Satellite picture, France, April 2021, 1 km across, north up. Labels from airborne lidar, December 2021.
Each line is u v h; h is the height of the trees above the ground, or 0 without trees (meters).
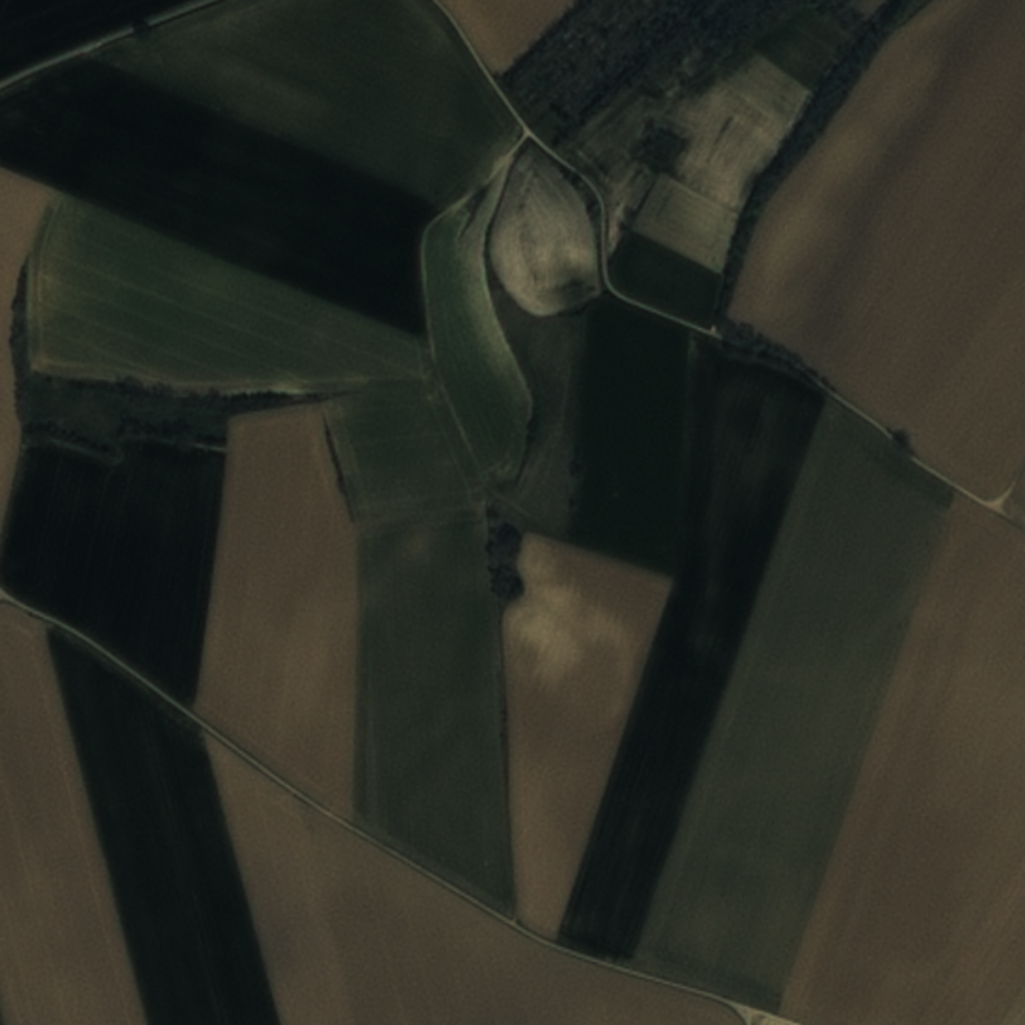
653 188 0
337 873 0
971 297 0
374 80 0
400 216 0
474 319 0
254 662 0
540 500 0
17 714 0
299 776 0
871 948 0
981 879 0
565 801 0
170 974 0
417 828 0
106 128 0
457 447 0
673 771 0
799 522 0
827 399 0
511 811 0
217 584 0
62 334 0
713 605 0
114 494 0
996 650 0
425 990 0
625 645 0
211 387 0
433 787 0
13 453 0
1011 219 0
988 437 0
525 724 0
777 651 0
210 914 0
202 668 0
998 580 0
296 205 0
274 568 0
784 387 0
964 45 0
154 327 0
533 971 0
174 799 0
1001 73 0
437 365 0
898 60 0
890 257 0
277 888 0
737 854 0
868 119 0
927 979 0
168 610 0
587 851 0
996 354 0
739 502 0
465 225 0
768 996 0
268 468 0
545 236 0
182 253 0
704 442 0
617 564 0
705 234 0
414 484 0
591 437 0
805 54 0
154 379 0
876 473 0
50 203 0
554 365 0
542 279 0
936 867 0
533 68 15
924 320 0
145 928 0
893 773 0
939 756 0
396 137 0
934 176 0
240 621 0
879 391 0
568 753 0
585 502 0
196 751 0
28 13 0
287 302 0
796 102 0
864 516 0
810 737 0
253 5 0
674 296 0
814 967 0
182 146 0
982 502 0
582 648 0
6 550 0
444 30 0
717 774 0
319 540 0
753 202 9
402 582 0
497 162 0
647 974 0
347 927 0
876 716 0
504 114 0
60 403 0
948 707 0
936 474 0
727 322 12
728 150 0
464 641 0
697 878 0
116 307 0
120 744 0
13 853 0
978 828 0
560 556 0
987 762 0
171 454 0
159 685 0
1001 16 0
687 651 0
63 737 0
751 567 0
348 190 0
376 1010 0
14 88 0
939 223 0
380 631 0
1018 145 0
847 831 0
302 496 0
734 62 13
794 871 0
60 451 0
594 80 11
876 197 0
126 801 0
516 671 0
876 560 0
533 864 0
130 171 0
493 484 0
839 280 0
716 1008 0
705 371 0
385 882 0
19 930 0
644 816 0
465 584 0
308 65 0
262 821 0
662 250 0
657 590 0
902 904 0
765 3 23
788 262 0
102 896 0
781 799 0
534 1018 0
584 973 0
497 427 0
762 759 0
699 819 0
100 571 0
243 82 0
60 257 0
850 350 0
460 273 0
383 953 0
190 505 0
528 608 0
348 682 0
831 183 0
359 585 0
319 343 0
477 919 0
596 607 0
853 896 0
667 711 0
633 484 0
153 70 0
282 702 0
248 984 0
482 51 0
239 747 0
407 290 0
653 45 15
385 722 0
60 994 0
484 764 0
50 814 0
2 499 0
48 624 0
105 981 0
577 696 0
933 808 0
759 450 0
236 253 0
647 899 0
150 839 0
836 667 0
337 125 0
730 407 0
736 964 0
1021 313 0
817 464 0
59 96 0
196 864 0
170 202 0
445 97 0
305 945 0
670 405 0
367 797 0
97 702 0
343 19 0
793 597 0
